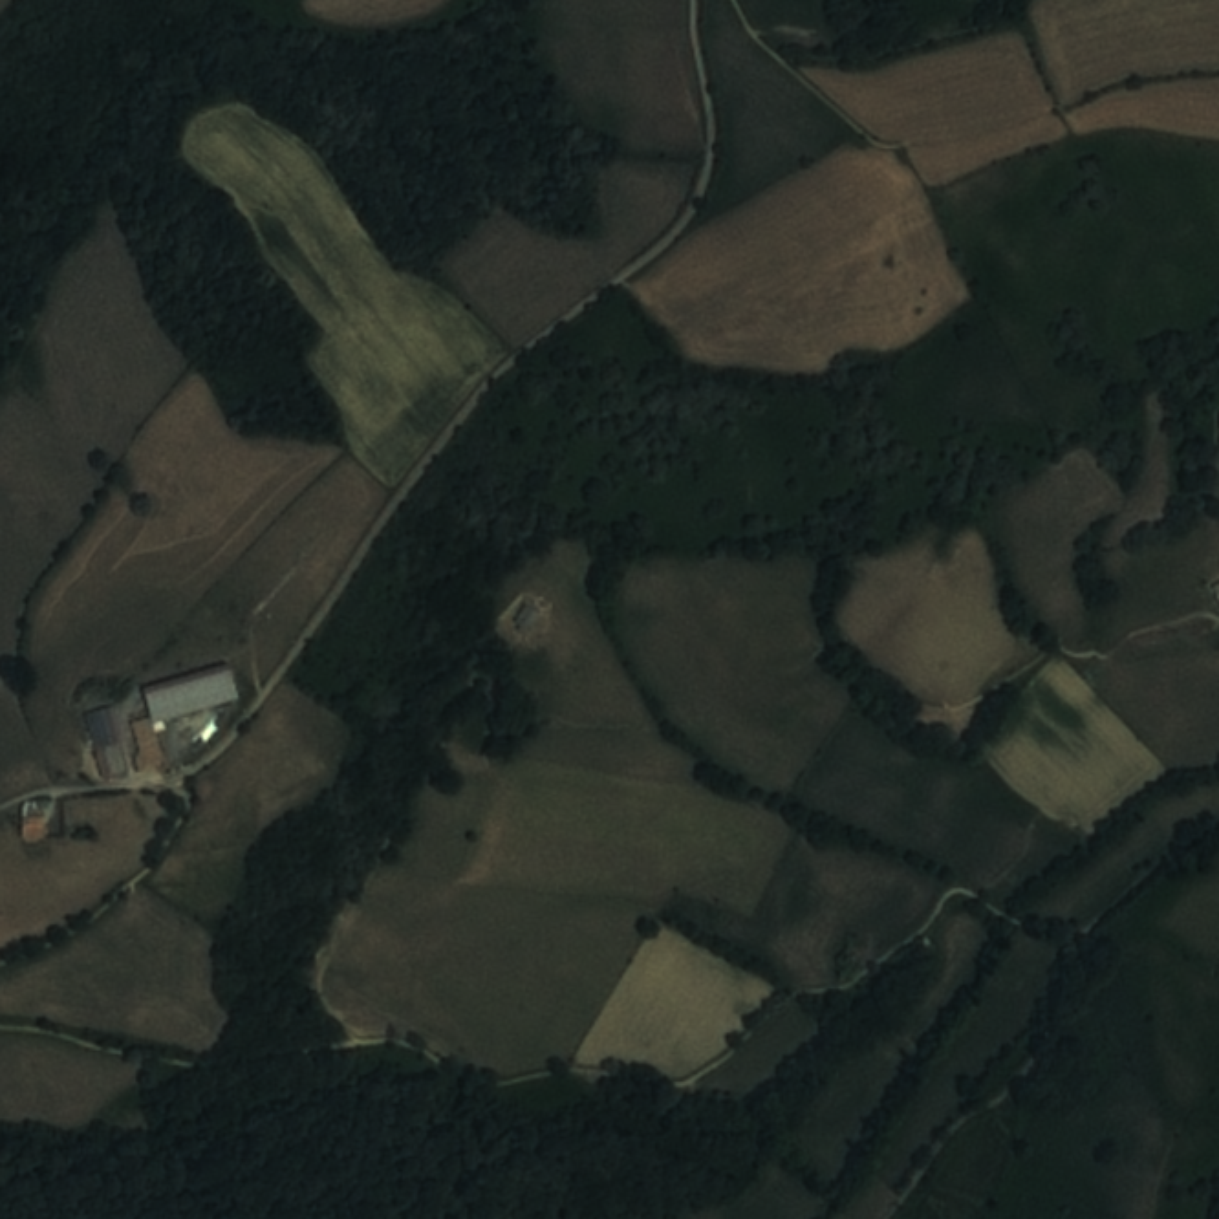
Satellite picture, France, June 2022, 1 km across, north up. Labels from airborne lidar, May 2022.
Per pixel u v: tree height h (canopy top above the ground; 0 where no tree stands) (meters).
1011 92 0
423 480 8
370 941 0
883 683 19
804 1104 27
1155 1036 0
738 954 9
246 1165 28
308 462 0
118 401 0
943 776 0
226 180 0
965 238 0
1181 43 0
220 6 20
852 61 10
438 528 10
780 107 0
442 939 0
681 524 0
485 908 0
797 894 0
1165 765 0
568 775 0
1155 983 0
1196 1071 0
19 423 0
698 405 16
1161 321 0
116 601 0
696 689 0
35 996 0
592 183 11
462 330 0
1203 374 18
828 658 16
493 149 9
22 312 21
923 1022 0
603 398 9
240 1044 11
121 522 0
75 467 0
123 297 0
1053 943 13
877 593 0
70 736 0
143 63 20
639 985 0
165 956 0
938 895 0
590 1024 0
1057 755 0
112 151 25
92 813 0
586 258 0
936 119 0
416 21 0
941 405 0
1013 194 0
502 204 8
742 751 0
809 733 0
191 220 24
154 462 0
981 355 0
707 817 0
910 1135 0
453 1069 13
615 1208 24
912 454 9
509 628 0
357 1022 0
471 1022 0
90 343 0
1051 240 0
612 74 0
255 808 0
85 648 0
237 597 0
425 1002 0
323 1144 25
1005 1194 0
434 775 13
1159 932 0
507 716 18
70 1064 0
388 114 24
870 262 0
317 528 0
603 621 7
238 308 14
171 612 0
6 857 0
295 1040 12
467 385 0
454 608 14
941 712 0
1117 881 0
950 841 0
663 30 0
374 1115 23
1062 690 0
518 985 0
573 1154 22
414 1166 25
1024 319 0
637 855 0
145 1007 0
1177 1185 9
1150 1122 0
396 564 11
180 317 17
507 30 21
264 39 21
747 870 0
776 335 0
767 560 12
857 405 16
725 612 0
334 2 0
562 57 0
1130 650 0
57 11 11
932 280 0
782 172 0
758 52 0
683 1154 9
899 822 0
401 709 16
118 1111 0
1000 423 0
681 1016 0
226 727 0
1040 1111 11
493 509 14
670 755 0
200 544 0
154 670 0
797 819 19
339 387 0
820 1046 21
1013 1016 0
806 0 0
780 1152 20
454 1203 28
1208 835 15
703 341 0
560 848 0
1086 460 0
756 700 0
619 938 0
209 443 0
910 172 0
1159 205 0
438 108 20
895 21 17
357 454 0
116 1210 28
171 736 0
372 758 10
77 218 20
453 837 0
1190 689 0
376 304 0
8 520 0
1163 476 0
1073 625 0
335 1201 23
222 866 0
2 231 22
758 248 0
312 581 0
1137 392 10
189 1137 22
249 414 14
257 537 0
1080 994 11
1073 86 0
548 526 17
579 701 0
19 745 0
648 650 0
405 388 0
